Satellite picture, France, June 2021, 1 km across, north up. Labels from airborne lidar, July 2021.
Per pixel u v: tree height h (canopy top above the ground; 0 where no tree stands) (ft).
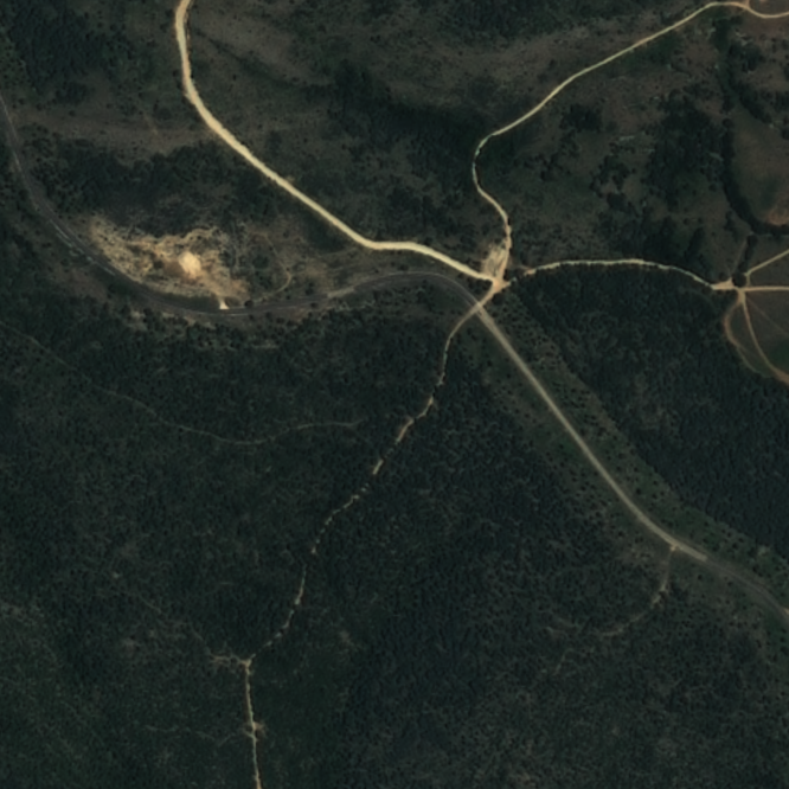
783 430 37
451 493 28
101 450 19
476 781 23
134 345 22
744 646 21
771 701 25
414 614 33
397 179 22
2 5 22
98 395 22
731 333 0
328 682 22
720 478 36
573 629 21
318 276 0
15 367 34
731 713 25
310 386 25
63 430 27
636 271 24
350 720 45
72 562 24
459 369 30
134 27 0
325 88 28
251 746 17
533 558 28
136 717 24
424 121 30
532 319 28
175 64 0
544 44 0
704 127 18
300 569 25
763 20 0
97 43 29
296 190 0
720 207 0
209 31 0
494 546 34
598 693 19
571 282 18
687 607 37
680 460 31
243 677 21
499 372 0
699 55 0
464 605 22
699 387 35
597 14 18
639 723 25
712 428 28
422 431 31
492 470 22
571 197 0
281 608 27
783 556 37
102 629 26
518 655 19
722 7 0
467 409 27
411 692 30
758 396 46
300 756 19
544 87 0
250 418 24
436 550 33
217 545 20
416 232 0
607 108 0
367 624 19
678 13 19
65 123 0
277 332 19
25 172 0
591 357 21
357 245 0
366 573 24
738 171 0
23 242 25
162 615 24
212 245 0
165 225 0
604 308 27
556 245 0
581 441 0
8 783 30
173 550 20
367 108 30
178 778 20
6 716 21
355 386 26
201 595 27
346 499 31
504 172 27
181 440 35
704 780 19
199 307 0
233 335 29
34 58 25
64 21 24
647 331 19
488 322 0
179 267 0
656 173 28
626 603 20
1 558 25
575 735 23
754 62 21
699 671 22
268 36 0
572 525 27
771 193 0
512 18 29
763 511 38
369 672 53
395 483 30
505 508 30
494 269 0
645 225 25
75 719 23
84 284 0
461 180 27
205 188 0
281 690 20
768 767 28
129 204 0
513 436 23
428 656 29
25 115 0
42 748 29
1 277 26
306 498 21
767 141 0
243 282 0
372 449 22
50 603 34
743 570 0
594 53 0
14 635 18
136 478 24
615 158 22
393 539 37
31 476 25
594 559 20
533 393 0
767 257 0
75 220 0
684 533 0
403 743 32
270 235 0
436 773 26
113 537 23
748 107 35
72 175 26
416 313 0
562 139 19
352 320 27
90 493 34
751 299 0
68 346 18
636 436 25
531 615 30
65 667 29
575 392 30
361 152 22
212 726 20
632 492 0
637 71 0
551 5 21
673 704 31
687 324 23
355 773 30
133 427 24
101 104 0
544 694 22
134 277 0
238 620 26
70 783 28
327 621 20
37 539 34
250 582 27
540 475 21
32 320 19
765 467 37
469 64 0
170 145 0
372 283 0
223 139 0
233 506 22
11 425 30
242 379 22
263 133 0
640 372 28
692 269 26
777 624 0
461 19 26
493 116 0
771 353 0
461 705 27
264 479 19
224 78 0
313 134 0
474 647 25
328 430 19
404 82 0
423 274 0
